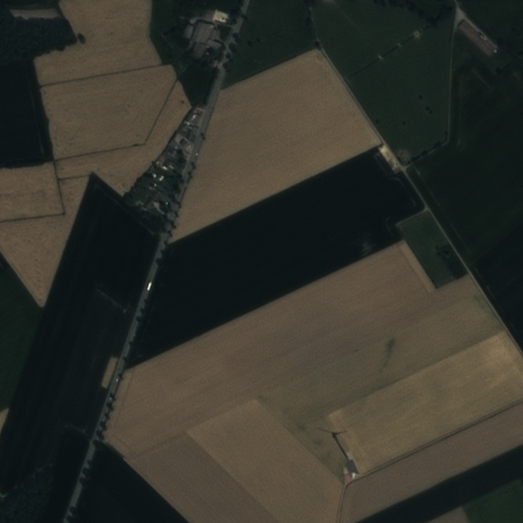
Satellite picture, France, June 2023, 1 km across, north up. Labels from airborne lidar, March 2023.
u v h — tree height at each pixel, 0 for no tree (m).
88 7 0
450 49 0
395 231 0
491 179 0
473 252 0
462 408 0
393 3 11
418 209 0
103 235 0
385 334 0
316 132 0
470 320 0
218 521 0
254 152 0
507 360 0
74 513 16
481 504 0
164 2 0
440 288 0
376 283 0
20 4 0
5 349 0
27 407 0
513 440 0
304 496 0
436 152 0
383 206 0
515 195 0
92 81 0
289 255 0
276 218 0
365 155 0
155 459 0
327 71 0
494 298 0
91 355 0
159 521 0
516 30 6
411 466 0
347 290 0
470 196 0
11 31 25
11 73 0
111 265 0
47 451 0
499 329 0
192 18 0
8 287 0
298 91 0
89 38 0
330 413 0
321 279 0
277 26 0
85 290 0
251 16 0
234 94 0
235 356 0
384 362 0
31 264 0
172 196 10
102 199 0
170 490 0
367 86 0
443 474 0
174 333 0
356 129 0
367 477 0
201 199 0
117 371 0
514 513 0
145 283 0
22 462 0
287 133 0
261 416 0
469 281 0
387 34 0
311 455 0
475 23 0
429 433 0
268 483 0
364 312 0
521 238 0
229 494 0
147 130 0
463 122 0
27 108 0
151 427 0
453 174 0
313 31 15
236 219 0
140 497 0
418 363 0
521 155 0
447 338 0
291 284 0
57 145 0
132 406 0
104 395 0
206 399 0
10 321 0
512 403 0
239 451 0
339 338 0
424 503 0
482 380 0
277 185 0
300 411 0
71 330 0
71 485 0
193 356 0
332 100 0
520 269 0
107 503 0
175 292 0
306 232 0
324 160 0
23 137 0
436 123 0
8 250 0
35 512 19
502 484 0
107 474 0
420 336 0
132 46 0
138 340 0
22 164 9
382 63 0
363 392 0
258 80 0
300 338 0
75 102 0
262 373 0
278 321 0
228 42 0
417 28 0
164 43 7
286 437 0
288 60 0
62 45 18
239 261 0
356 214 0
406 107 0
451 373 0
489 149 0
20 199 0
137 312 0
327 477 0
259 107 0
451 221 0
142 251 0
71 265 0
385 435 0
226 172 0
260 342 0
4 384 0
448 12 23
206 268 0
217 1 0
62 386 0
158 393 0
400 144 0
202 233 0
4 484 0
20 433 0
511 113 0
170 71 0
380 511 0
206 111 0
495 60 0
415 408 0
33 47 27
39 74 0
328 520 0
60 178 0
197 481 0
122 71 0
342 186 0
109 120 0
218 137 0
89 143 0
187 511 0
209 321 0
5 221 0
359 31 0
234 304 0
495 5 0
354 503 0
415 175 0
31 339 0
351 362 0
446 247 0
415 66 0
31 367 0
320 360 0
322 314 0
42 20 11
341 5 0
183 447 0
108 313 0
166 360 0
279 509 0
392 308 0
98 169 0
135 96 0
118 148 0
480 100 0
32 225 0
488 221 0
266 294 0
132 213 0
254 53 0
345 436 0
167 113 0
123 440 0
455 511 0
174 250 0
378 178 0
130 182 0
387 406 0
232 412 0
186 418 0
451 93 0
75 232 0
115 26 0
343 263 0
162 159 0
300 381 0
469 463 0
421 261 0
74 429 0
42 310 0
